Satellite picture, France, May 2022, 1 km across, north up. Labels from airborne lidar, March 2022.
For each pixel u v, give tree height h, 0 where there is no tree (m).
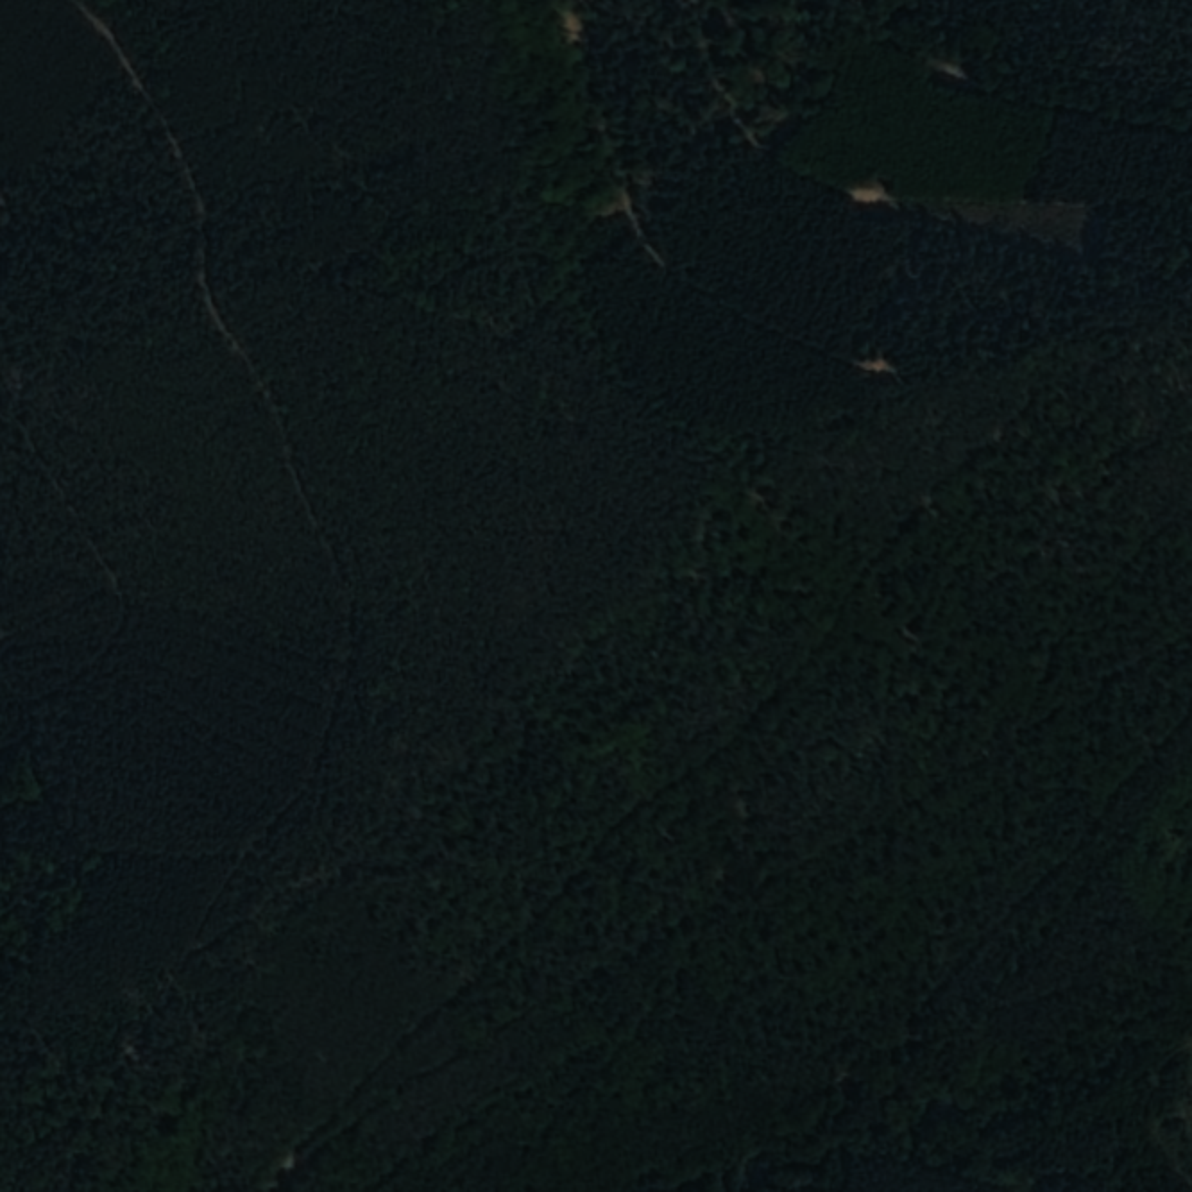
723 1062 20
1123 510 23
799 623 36
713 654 31
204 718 23
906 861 32
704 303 22
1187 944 8
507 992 18
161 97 15
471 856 24
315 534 21
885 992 16
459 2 18
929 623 18
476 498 18
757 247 26
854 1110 33
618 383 10
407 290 22
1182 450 21
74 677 17
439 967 18
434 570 15
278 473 15
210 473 16
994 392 17
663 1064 23
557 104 29
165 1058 22
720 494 20
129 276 20
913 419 19
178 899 18
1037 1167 26
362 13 18
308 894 8
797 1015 16
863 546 19
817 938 18
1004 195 19
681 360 21
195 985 10
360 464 19
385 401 20
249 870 9
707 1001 21
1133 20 32
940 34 7
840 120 24
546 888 18
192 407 18
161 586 21
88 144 19
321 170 6
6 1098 27
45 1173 23
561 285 16
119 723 24
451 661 17
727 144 33
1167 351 17
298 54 14
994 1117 20
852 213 22
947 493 22
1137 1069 20
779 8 34
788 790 26
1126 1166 14
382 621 19
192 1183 11
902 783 17
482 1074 19
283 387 19
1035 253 31
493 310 18
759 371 23
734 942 14
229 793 20
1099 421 11
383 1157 20
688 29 22
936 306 25
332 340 19
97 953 19
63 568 23
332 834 18
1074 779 17
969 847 21
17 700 17
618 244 22
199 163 8
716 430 18
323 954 21
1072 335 20
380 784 14
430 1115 18
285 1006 20
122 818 28
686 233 21
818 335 25
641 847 20
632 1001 22
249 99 8
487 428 17
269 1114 21
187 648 21
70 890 28
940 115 25
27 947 21
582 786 10
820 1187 23
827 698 13
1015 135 25
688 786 26
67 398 16
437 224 18
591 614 22
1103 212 19
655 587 30
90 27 14
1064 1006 22
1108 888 32
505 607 20
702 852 9
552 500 19
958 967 22
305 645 20
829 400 20
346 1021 17
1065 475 16
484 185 20
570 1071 23
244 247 9
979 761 30
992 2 31
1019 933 26
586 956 13
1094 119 21
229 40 9
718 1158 20
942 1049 27
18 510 24
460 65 17
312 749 20
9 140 12
